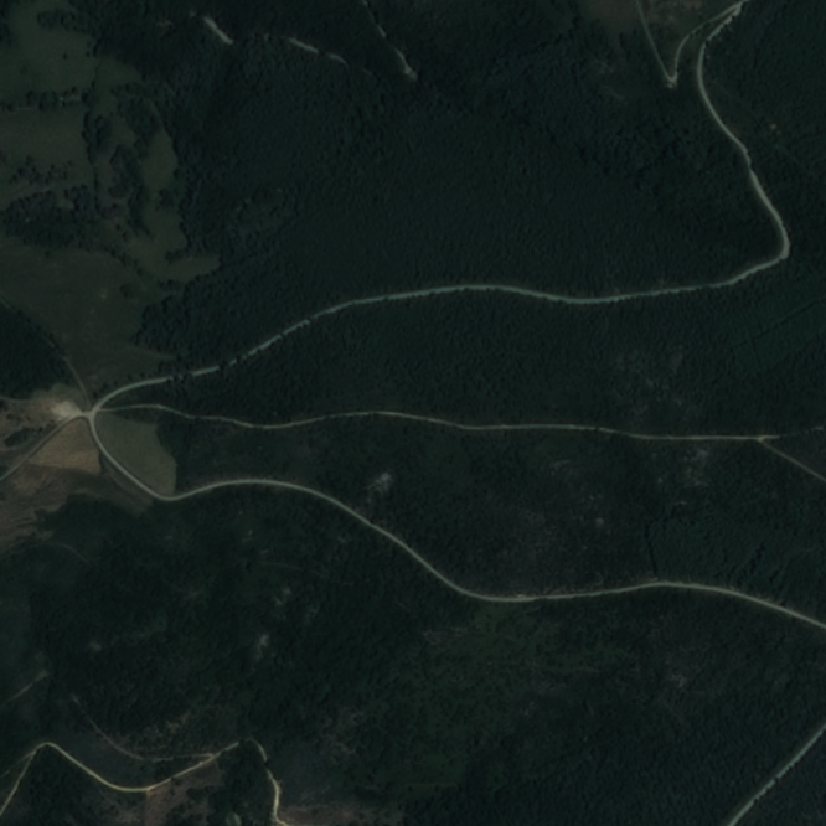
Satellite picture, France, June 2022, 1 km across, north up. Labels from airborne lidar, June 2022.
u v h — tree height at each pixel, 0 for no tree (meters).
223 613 10
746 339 11
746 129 7
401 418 6
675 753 7
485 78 24
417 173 11
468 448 7
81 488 0
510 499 7
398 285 8
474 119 13
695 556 25
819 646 6
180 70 21
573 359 8
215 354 17
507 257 8
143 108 17
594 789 11
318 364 6
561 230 8
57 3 0
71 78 0
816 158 11
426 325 9
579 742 8
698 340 8
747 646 7
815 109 11
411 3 9
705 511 12
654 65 7
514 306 8
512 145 9
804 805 8
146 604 8
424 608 8
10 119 0
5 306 10
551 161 8
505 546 8
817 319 10
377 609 13
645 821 7
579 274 10
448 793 12
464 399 6
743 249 10
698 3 0
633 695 8
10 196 0
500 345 8
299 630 9
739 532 24
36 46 0
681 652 6
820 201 11
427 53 13
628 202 9
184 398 8
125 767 0
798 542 24
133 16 25
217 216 12
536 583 6
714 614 9
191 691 8
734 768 7
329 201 8
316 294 9
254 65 18
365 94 10
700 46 0
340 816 0
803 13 11
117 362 0
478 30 11
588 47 9
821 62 10
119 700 6
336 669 12
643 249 9
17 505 0
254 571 13
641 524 8
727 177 7
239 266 13
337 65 7
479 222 10
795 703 8
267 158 10
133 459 0
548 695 6
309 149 11
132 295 7
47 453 0
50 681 9
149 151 7
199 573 7
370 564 12
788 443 8
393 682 8
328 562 7
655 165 15
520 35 23
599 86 11
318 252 8
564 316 8
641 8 0
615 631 8
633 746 9
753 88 11
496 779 9
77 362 0
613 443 9
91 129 12
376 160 14
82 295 0
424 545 6
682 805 11
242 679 10
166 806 0
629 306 10
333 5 27
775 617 7
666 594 10
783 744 7
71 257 0
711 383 7
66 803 9
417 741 11
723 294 7
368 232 9
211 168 11
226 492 5
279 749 10
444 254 8
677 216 22
